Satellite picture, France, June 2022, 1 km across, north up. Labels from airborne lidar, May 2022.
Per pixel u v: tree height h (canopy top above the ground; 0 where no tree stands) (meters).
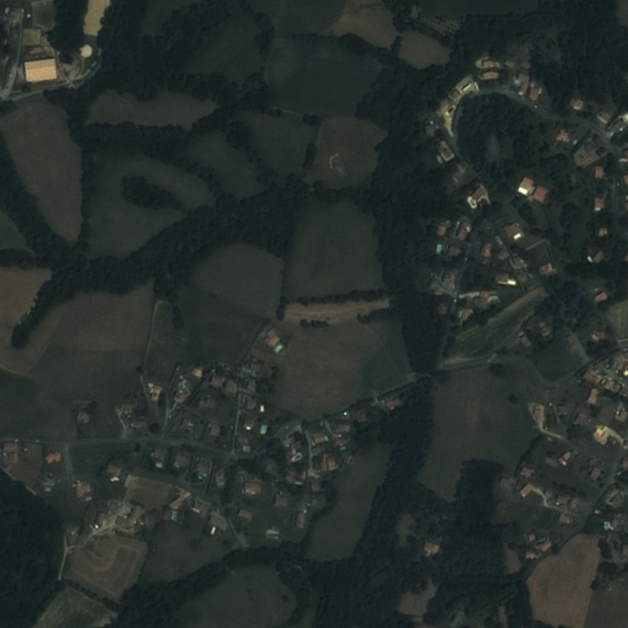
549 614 0
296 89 0
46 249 23
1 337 0
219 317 0
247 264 0
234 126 10
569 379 0
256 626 0
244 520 0
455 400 0
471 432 0
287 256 7
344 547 0
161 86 20
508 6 0
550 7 20
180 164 12
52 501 0
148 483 0
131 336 0
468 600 17
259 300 0
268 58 9
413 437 24
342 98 0
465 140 25
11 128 0
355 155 0
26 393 0
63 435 0
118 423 0
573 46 9
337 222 0
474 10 0
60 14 16
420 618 0
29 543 16
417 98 21
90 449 0
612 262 11
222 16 16
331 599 18
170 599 6
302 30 0
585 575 0
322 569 17
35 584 23
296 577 7
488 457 0
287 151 0
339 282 0
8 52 11
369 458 0
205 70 0
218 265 0
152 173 0
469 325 18
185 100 0
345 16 0
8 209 8
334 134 0
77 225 0
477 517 32
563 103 15
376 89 12
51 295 13
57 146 0
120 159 0
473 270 6
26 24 0
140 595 16
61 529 18
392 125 11
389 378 0
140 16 21
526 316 0
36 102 0
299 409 0
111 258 9
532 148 28
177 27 26
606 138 0
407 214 23
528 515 0
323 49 0
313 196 10
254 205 20
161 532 0
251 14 17
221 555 0
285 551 13
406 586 20
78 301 0
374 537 11
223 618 0
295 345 0
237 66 0
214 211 17
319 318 0
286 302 14
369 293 14
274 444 19
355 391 0
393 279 20
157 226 0
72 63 12
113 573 0
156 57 27
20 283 0
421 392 20
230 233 17
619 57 21
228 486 7
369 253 0
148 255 22
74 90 13
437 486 0
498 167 8
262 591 0
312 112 0
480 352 0
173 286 16
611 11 23
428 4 0
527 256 11
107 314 0
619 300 13
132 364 0
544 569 0
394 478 22
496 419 0
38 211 19
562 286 16
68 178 0
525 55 0
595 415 6
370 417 15
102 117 0
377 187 15
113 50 16
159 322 0
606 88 14
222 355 0
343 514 0
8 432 0
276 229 17
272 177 19
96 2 0
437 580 10
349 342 0
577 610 0
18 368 0
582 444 0
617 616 0
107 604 13
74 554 0
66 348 0
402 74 14
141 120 0
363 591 17
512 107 17
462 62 22
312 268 0
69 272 13
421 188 26
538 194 0
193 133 11
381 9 0
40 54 0
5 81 0
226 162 0
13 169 17
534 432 0
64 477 0
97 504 0
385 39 0
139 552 0
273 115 11
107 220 0
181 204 9
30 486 0
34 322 17
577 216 26
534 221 24
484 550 14
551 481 0
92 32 0
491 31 22
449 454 0
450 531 19
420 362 14
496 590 21
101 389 0
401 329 0
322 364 0
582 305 18
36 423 0
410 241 22
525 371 0
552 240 11
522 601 17
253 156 11
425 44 0
